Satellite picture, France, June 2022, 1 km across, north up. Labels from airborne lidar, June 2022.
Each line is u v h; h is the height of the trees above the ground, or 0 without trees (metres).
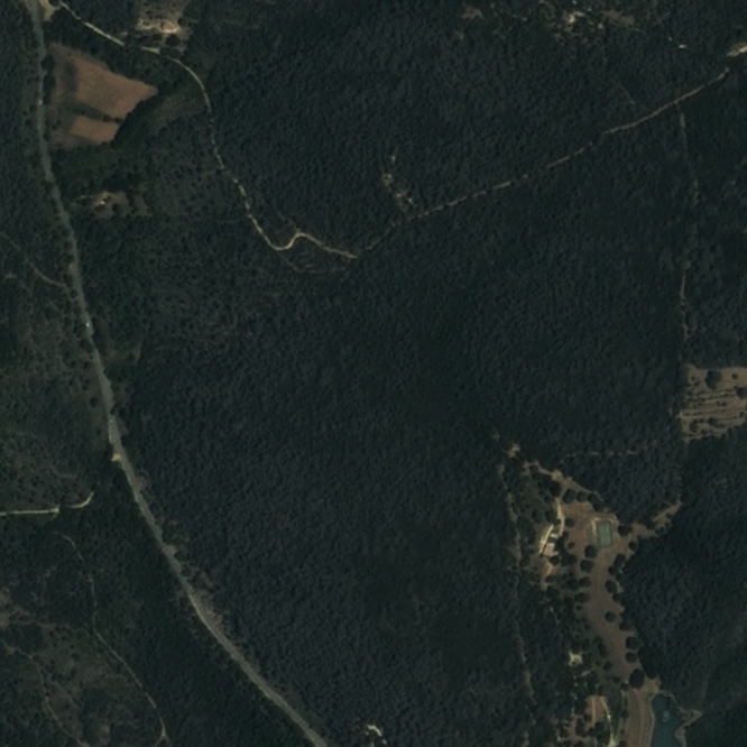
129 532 10
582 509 0
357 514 17
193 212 21
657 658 12
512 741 18
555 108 13
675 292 12
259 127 17
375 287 16
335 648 17
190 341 6
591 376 7
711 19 20
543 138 10
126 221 14
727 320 19
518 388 13
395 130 18
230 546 13
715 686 7
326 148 15
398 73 8
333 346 9
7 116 15
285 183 21
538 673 15
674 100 12
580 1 11
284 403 10
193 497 13
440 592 7
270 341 16
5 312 11
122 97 0
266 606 16
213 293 6
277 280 7
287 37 6
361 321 14
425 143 14
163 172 15
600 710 0
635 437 17
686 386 12
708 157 10
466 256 15
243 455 15
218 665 9
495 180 18
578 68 10
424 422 8
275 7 6
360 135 15
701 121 10
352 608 15
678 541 18
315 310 12
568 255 11
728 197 18
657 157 12
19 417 8
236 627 7
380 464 16
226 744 10
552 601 12
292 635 18
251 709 16
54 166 10
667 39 13
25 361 7
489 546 10
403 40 18
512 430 9
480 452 18
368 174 13
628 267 18
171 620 9
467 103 7
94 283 19
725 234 15
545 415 8
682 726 0
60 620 8
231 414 17
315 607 18
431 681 15
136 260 9
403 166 15
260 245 9
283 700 0
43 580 6
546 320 16
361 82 10
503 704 17
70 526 10
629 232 9
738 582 9
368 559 10
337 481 14
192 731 9
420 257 16
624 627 12
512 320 8
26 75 18
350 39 15
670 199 12
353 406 17
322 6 18
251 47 5
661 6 8
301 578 17
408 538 13
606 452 19
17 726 10
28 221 19
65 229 8
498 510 12
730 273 12
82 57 0
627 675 0
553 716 20
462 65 6
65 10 13
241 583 14
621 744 6
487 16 9
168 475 15
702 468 11
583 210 16
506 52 16
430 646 10
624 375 17
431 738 19
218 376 10
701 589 9
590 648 9
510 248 14
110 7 15
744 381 0
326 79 16
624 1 10
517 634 20
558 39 6
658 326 13
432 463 10
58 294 7
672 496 24
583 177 8
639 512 18
